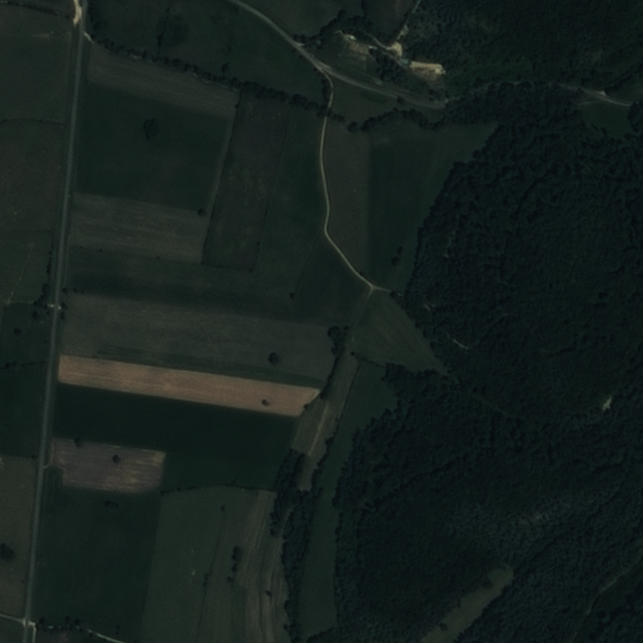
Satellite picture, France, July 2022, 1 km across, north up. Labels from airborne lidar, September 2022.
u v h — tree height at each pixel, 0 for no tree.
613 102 0
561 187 25
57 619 0
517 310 23
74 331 0
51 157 0
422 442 17
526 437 25
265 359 0
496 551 15
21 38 0
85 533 0
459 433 17
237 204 0
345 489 19
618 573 25
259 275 0
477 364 13
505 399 21
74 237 0
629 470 13
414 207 0
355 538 6
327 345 0
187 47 0
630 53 6
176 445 0
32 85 0
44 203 0
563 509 19
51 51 0
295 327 0
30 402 0
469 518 17
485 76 9
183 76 0
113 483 0
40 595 0
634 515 26
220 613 0
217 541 0
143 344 0
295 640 8
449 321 18
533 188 22
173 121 0
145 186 0
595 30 21
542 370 15
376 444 25
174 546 0
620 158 27
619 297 21
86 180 0
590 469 21
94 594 0
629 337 16
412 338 0
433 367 0
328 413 0
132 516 0
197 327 0
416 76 0
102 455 0
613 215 28
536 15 9
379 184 0
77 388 0
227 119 0
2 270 0
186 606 0
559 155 13
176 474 0
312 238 0
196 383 0
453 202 26
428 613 16
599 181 23
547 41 17
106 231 0
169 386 0
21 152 0
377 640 14
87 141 0
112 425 0
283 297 0
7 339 0
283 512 9
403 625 16
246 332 0
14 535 0
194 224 0
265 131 0
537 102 23
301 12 0
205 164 0
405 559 12
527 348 22
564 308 15
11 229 0
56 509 0
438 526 11
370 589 16
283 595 0
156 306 0
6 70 0
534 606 21
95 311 0
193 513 0
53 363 0
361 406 0
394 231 0
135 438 0
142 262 0
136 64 0
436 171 0
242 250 0
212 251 0
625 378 14
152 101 0
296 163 0
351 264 0
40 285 0
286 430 0
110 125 0
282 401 0
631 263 21
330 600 0
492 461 24
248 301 0
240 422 0
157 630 0
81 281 0
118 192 0
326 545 0
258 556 0
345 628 5
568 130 21
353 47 0
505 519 12
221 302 0
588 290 17
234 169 0
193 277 0
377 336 0
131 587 0
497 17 12
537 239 22
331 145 0
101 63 0
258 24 0
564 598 21
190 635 0
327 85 16
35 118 0
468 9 7
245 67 0
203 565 0
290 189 0
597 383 16
